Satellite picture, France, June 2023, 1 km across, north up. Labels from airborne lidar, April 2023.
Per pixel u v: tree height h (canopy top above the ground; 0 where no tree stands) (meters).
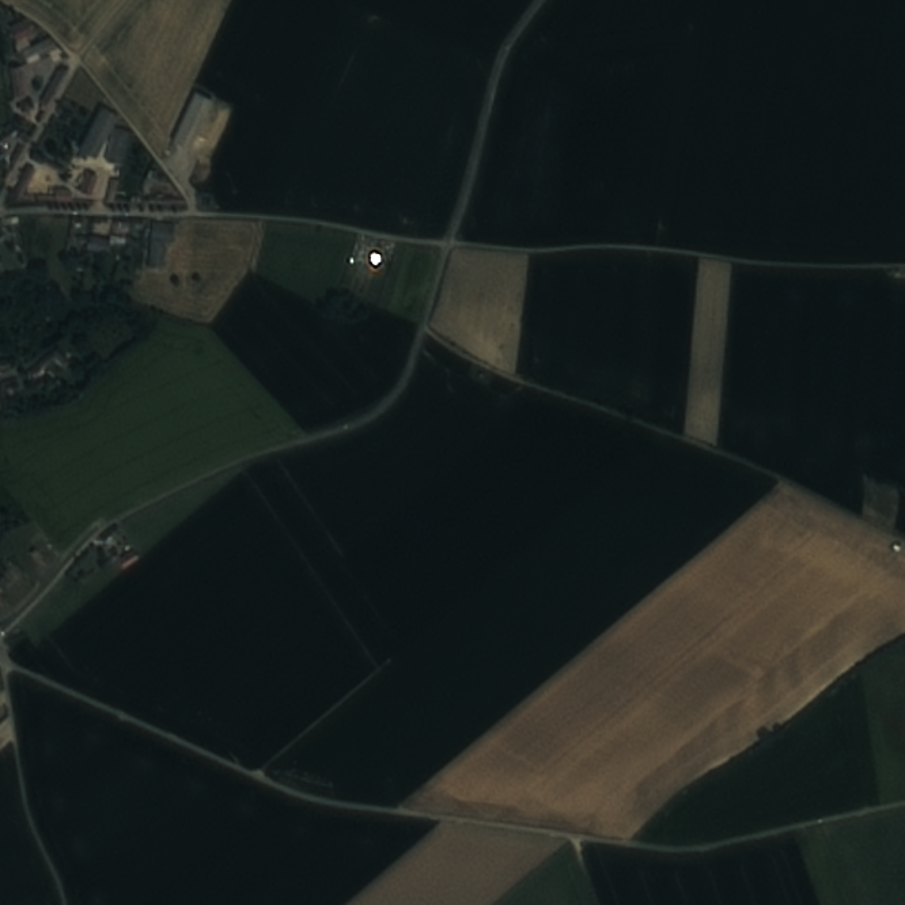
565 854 0
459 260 0
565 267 0
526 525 0
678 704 0
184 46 0
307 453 0
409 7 0
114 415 0
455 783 0
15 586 0
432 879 0
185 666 0
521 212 0
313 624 0
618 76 0
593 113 0
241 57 0
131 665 0
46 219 0
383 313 0
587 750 0
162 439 0
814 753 0
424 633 0
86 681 0
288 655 0
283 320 0
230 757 0
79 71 0
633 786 0
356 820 0
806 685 0
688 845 0
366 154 0
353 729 0
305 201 0
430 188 0
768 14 0
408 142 0
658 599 0
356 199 0
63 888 0
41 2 0
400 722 0
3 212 0
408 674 0
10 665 0
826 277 0
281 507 0
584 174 0
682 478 0
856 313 0
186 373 0
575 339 0
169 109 0
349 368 0
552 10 0
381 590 0
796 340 0
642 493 0
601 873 0
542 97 0
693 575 0
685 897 0
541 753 0
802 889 0
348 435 0
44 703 0
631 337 0
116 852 0
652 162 0
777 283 0
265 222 0
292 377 0
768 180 0
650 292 0
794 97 0
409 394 0
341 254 0
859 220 0
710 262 0
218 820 0
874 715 0
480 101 0
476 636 0
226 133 0
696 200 0
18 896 0
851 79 0
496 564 0
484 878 0
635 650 0
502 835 0
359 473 0
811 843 0
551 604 0
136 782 0
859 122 0
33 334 9
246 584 0
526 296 0
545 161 0
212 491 0
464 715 0
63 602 0
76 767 0
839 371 0
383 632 0
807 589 0
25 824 0
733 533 0
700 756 0
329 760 0
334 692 0
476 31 0
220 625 0
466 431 0
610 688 0
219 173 0
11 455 0
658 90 0
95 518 0
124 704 0
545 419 0
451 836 0
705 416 0
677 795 0
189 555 0
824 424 0
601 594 0
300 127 0
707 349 0
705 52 0
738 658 0
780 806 0
